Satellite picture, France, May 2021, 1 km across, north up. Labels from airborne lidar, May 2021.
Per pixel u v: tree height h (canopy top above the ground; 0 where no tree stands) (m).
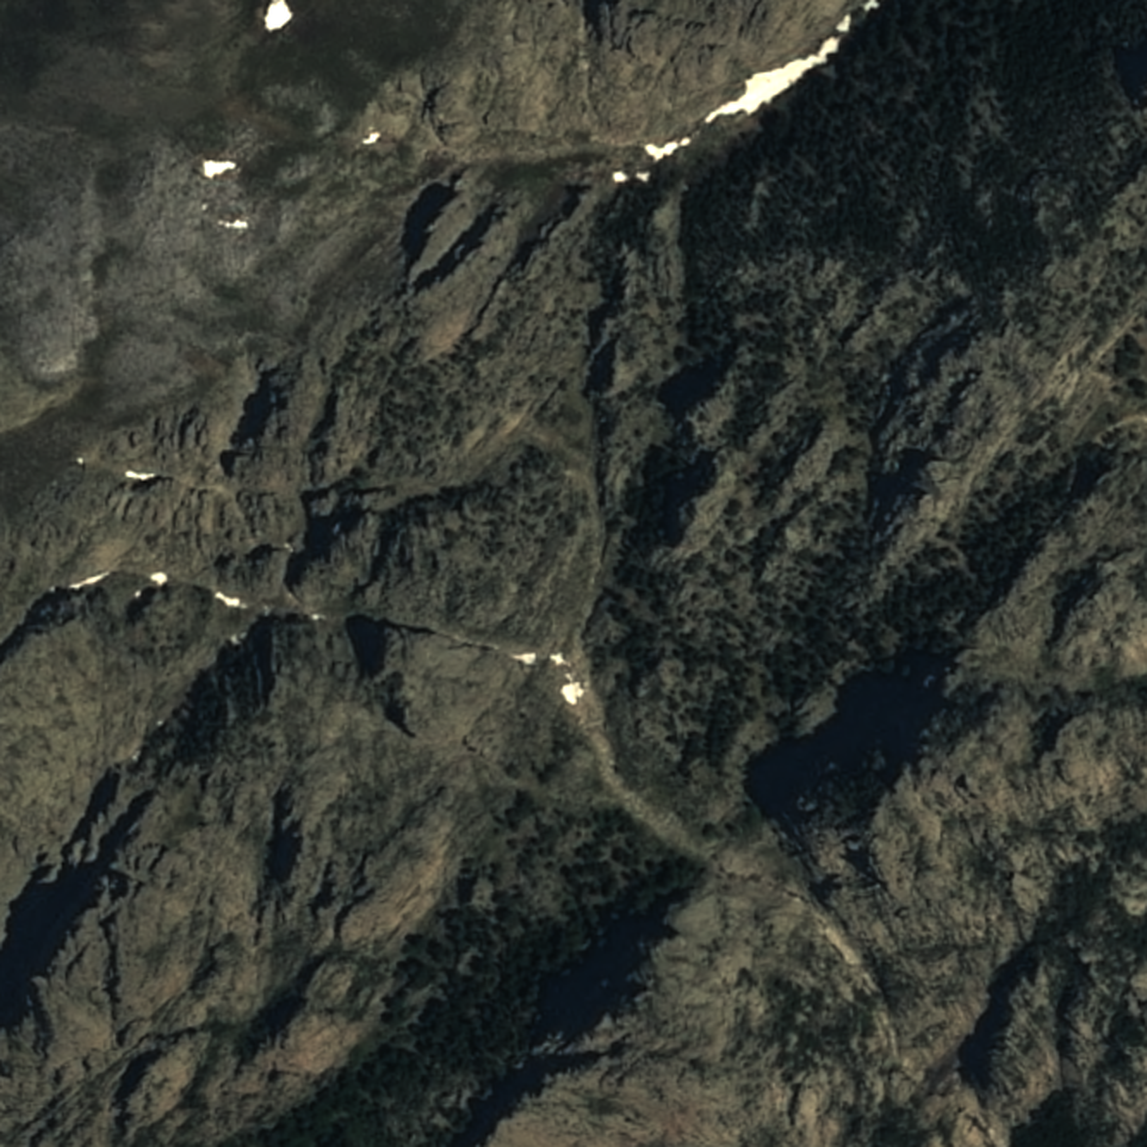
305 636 8
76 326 0
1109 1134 13
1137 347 30
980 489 11
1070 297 8
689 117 0
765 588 17
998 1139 0
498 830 8
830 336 7
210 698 12
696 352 25
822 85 21
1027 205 8
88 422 0
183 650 7
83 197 0
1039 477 8
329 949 9
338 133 0
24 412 0
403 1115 9
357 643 0
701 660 19
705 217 8
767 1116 26
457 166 0
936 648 20
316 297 0
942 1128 18
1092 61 15
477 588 6
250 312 0
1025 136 11
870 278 10
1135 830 15
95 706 0
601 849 17
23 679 0
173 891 8
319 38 0
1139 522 8
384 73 0
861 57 31
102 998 7
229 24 0
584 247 10
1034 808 7
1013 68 11
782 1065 6
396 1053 22
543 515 10
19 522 0
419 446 7
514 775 32
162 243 0
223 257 0
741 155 17
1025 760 0
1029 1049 7
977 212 8
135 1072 11
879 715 15
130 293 0
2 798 0
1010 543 19
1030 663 0
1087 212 9
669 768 9
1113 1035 7
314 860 8
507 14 0
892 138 14
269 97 0
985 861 10
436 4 0
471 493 9
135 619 14
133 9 0
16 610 0
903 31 8
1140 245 8
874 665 22
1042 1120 21
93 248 0
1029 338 7
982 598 12
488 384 8
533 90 0
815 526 18
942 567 17
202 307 0
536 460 12
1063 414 21
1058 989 8
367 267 0
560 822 9
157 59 0
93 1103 9
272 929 8
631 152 0
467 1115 19
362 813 6
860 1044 7
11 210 0
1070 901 10
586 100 0
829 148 24
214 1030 7
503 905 29
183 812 0
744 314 11
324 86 0
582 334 10
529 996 24
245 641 13
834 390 0
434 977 17
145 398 0
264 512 6
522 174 0
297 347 0
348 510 17
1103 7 11
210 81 0
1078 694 23
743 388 15
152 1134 7
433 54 0
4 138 0
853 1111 11
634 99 0
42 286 0
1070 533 7
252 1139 12
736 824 8
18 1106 9
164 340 0
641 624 15
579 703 0
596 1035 8
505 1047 14
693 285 14
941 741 6
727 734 15
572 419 0
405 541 14
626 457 11
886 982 8
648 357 6
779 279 9
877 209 15
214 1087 8
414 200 0
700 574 6
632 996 12
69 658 0
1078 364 8
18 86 0
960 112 10
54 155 0
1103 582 12
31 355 0
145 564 0
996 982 8
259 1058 16
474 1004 25
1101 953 6
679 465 28
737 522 7
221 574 10
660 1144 0
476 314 20
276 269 0
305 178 0
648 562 7
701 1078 7
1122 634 18
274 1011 9
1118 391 16
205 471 0
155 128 0
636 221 14
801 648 27
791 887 0
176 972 15
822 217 12
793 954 0
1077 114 8
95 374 0
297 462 8
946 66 31
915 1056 0
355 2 0
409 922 9
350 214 0
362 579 9
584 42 0
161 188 0
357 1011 7
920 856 7
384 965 14
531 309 6
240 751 8
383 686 7
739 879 0
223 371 0
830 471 6
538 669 11
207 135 0
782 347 21
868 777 11
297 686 8
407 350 6
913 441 6
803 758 7
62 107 0
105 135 0
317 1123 19
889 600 14
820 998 8
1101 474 18
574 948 21
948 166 10
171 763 6
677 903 9
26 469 0
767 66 0
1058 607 30
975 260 14
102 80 0
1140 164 16
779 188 11
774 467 30
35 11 0
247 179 0
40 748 0
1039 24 12
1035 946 9
